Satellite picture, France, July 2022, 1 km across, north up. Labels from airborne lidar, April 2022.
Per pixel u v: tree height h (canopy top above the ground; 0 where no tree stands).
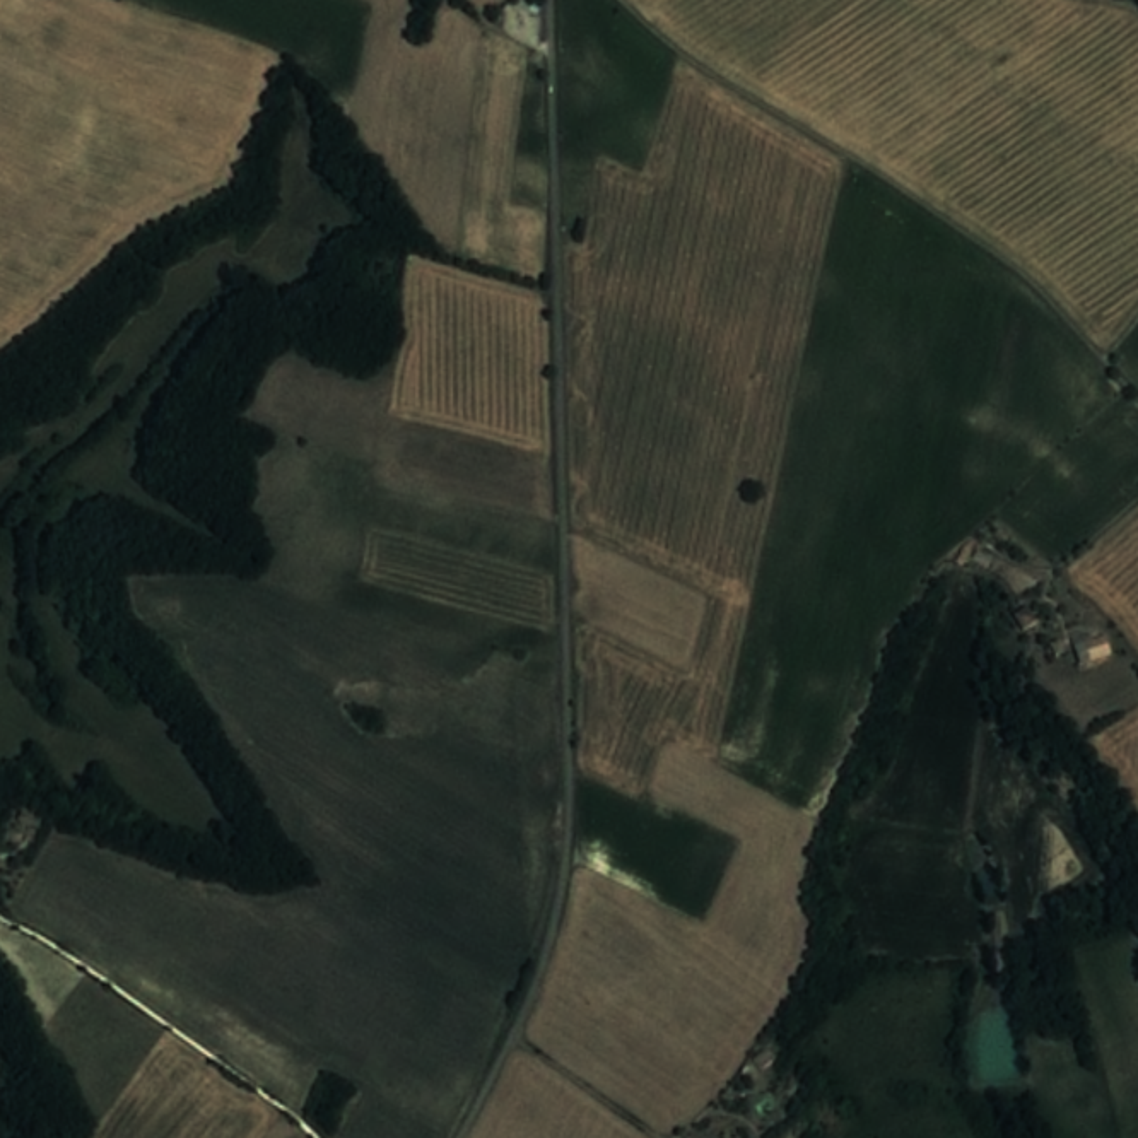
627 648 0
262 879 19
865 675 0
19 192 0
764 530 0
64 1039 0
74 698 0
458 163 0
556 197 0
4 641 0
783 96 0
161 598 0
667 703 0
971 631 0
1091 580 0
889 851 0
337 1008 0
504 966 0
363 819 0
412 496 0
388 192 12
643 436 0
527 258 0
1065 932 22
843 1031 0
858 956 16
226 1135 0
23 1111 19
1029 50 0
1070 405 0
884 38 0
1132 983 0
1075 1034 15
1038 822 0
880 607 0
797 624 0
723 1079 0
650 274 0
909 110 0
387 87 0
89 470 0
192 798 0
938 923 0
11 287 0
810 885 8
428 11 6
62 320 15
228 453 10
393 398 0
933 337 0
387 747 0
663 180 0
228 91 0
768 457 0
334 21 0
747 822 0
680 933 0
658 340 0
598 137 0
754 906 0
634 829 0
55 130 0
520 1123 0
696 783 0
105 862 0
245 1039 0
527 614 0
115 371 7
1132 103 0
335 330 10
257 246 0
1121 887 20
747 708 0
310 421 0
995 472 0
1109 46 0
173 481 19
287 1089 0
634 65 0
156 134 0
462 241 0
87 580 8
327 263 19
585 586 0
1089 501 0
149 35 0
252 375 13
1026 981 16
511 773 0
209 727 14
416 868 0
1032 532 0
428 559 0
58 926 0
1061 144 0
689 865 0
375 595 0
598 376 0
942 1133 0
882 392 0
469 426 0
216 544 15
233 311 22
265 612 0
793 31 0
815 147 0
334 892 0
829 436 0
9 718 0
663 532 0
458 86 0
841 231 0
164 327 0
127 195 0
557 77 0
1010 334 0
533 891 0
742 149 0
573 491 0
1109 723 10
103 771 15
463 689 0
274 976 0
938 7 0
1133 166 0
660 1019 0
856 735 6
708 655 0
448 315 0
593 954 0
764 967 0
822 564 0
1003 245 0
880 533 0
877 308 0
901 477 0
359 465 0
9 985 11
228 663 0
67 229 0
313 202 0
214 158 0
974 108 0
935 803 0
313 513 0
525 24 0
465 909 0
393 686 0
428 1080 0
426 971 0
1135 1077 0
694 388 0
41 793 11
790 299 0
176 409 14
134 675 21
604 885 0
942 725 0
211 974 0
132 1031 0
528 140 0
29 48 0
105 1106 0
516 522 0
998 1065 0
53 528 15
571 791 0
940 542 0
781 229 0
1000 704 13
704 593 0
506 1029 0
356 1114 0
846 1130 0
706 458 0
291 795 0
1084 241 0
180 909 0
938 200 0
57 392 17
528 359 0
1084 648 0
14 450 20
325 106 11
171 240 15
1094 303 0
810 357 0
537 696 0
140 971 0
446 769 0
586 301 0
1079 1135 0
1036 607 7
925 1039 0
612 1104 0
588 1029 0
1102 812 19
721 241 0
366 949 0
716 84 0
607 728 0
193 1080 0
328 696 0
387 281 6
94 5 0
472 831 0
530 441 0
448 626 0
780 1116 0
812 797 0
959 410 0
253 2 0
